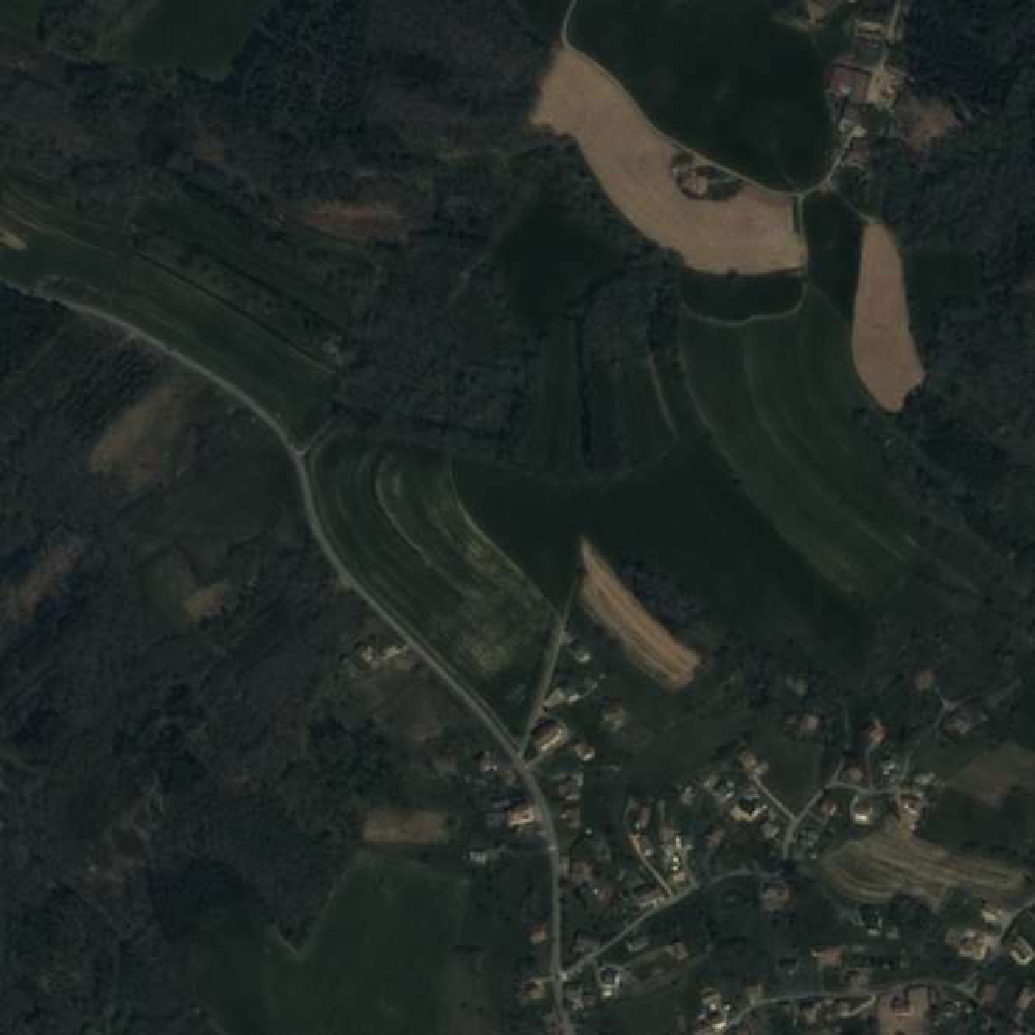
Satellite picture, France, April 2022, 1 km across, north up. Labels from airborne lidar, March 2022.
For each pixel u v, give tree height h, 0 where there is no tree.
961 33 23
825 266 0
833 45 0
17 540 16
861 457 0
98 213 27
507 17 27
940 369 22
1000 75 22
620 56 0
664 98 0
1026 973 0
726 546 0
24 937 26
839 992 0
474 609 0
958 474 21
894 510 0
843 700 15
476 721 0
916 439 22
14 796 26
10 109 28
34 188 0
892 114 0
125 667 11
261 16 0
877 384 0
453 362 18
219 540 0
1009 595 9
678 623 23
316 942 0
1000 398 24
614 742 0
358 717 0
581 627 0
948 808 0
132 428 0
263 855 13
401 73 31
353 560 0
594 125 0
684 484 0
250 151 29
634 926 0
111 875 0
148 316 0
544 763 0
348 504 0
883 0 0
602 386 27
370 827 0
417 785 0
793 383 0
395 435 25
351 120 29
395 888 0
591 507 0
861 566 0
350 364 16
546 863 0
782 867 0
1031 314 19
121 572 21
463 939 0
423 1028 0
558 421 0
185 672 6
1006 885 0
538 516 0
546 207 0
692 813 0
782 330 0
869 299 0
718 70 0
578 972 0
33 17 0
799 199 0
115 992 23
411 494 0
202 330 0
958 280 0
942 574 0
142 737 25
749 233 0
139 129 31
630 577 12
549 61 27
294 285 0
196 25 0
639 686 0
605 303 27
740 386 0
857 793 0
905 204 22
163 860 22
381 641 0
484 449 25
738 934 0
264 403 0
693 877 0
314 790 0
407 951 0
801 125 0
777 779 0
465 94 33
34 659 28
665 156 0
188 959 23
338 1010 0
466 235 9
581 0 0
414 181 34
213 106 28
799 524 0
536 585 0
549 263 0
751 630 0
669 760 0
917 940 21
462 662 0
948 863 0
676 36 0
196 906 22
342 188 32
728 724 0
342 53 28
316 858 12
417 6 31
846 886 0
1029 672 0
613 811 0
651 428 0
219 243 0
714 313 0
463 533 0
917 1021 0
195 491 0
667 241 0
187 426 0
